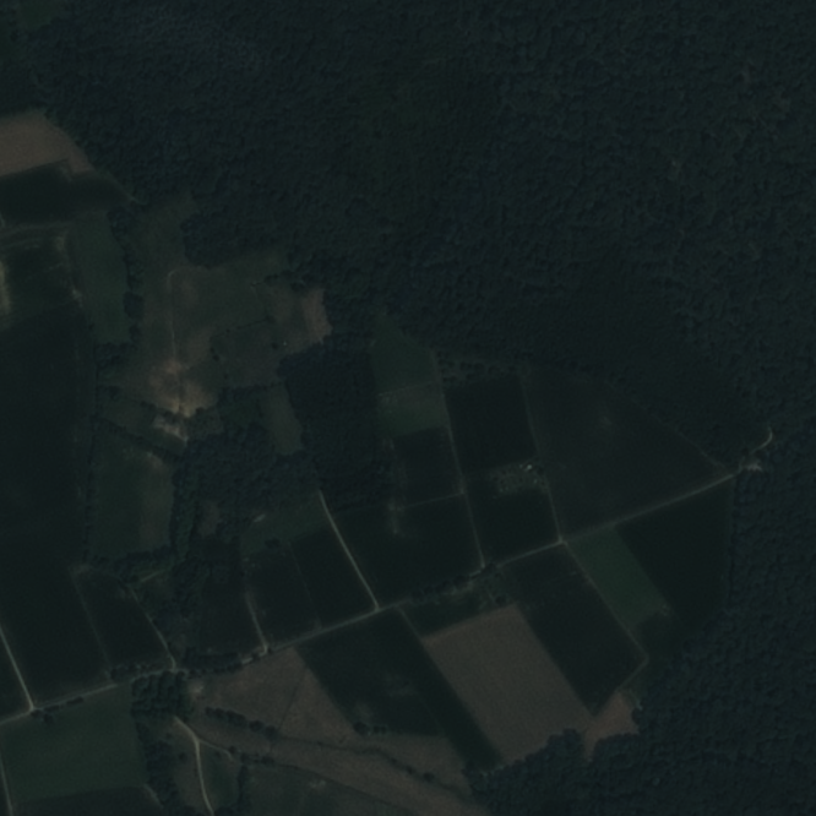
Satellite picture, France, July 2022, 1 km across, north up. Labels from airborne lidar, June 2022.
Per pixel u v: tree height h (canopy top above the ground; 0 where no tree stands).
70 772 0
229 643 0
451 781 0
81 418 0
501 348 18
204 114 17
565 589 0
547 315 13
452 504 0
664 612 0
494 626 0
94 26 19
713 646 24
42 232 0
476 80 11
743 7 23
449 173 9
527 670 0
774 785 26
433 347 14
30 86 8
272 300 0
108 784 0
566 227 27
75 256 0
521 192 24
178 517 17
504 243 24
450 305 27
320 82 23
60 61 29
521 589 0
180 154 23
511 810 26
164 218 0
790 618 24
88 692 0
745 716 28
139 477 0
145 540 0
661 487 0
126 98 24
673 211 25
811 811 23
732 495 0
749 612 21
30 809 0
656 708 23
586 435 0
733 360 24
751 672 23
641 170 23
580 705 0
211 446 19
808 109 23
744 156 21
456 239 22
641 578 0
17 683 0
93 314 0
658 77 23
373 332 21
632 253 23
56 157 0
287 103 24
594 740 0
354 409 26
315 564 0
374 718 0
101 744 0
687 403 8
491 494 0
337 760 0
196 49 25
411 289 28
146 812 0
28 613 0
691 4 25
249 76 22
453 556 0
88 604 0
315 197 22
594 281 15
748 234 19
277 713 0
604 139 22
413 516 0
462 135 9
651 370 11
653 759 23
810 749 24
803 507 26
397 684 0
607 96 23
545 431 0
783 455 25
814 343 25
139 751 0
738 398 11
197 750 0
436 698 0
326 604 0
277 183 25
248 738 0
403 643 0
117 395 19
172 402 0
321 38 28
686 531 0
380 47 24
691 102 20
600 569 0
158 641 0
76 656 0
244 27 19
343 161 12
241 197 28
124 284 0
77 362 0
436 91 7
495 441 0
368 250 22
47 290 0
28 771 0
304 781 0
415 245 13
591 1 24
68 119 26
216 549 0
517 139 19
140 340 13
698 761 26
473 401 0
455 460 0
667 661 0
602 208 24
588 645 0
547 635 0
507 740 0
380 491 12
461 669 0
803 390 25
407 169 6
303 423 15
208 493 27
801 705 28
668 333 11
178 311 0
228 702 0
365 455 22
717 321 22
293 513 0
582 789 32
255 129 25
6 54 0
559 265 25
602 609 0
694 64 19
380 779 0
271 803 0
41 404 0
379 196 7
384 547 0
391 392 0
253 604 0
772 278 28
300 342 0
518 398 0
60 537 0
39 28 0
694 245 22
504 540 0
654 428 0
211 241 30
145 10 21
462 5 21
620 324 11
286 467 26
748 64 21
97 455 11
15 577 0
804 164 27
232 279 0
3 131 0
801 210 23
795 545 30
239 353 0
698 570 0
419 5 26
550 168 25
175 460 13
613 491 0
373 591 0
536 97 23
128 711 0
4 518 0
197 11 24
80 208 0
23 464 0
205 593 0
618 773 24
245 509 24
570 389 0
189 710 14
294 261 20
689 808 21
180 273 0
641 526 0
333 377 29
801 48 22
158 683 7
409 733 0
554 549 0
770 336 27
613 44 27
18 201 0
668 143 24
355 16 24
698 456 0
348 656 0
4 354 0
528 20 29
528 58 23
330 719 0
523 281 8
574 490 0
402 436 0
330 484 15
